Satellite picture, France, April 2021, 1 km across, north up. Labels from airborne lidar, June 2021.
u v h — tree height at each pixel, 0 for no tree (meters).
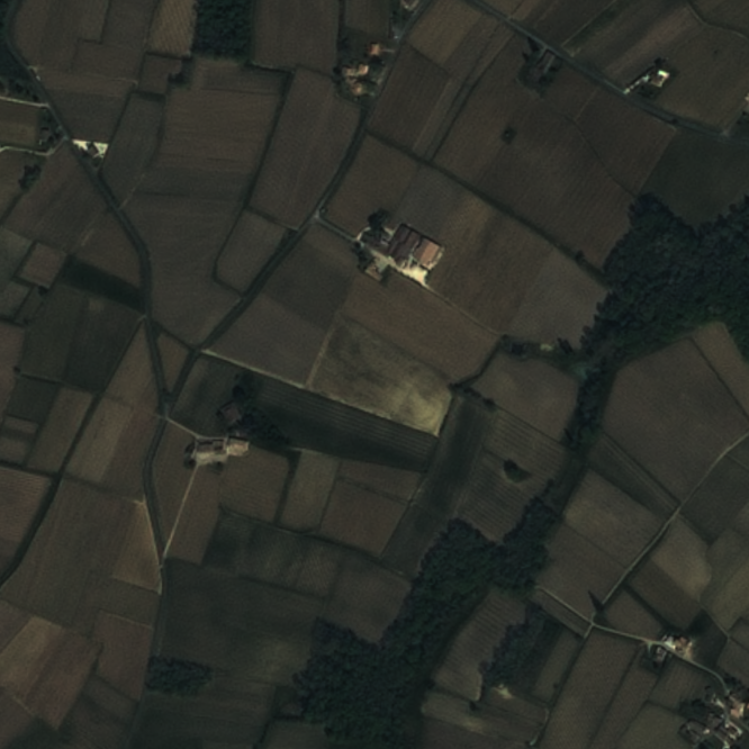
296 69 0
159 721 0
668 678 0
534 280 0
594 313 0
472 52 0
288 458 0
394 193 0
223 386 0
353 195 0
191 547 0
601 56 0
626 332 24
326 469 0
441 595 24
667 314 23
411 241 0
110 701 0
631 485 0
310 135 0
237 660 0
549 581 0
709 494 0
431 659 17
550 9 0
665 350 0
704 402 0
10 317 0
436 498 0
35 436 0
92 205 0
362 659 25
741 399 0
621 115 0
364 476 0
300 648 0
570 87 0
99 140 0
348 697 24
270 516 0
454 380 0
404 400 0
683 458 0
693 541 0
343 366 0
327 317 0
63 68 0
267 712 0
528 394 0
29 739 0
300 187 0
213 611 0
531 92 0
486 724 0
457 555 22
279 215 0
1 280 0
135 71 0
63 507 0
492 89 0
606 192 0
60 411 0
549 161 0
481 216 0
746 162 0
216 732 0
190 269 0
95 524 0
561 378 0
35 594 0
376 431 0
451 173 0
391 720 24
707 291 25
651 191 0
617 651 0
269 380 0
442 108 0
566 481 0
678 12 0
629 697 0
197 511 0
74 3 0
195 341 0
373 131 0
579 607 0
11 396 0
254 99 0
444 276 0
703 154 0
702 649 0
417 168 0
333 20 0
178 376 0
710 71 0
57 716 0
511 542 17
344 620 0
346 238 0
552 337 0
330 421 0
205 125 0
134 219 0
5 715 0
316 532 0
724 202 0
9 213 0
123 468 0
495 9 0
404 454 0
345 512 0
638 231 22
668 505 0
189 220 0
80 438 0
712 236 24
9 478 0
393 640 20
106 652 0
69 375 0
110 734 0
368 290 0
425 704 0
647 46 0
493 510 0
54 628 0
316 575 0
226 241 0
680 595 0
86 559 0
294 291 0
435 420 0
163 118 0
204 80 0
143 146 0
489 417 0
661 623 0
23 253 0
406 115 0
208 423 0
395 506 0
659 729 0
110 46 0
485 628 0
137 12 0
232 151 0
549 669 0
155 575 0
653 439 0
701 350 0
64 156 0
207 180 0
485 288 0
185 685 13
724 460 0
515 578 23
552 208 0
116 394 0
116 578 0
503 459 0
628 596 0
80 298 0
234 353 0
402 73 0
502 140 0
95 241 0
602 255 0
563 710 0
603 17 0
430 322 0
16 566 0
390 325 0
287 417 0
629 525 0
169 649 0
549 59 0
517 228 0
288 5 0
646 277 23
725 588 0
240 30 17
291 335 0
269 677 0
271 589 0
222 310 0
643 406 0
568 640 0
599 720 0
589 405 15
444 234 0
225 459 0
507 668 7
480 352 0
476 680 0
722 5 0
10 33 0
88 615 0
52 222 0
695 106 0
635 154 0
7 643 0
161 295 0
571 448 14
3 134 0
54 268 0
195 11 0
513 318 0
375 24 0
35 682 0
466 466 0
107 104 0
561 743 0
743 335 19
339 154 0
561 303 0
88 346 0
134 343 0
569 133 0
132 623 0
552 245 0
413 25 0
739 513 0
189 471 0
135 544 0
